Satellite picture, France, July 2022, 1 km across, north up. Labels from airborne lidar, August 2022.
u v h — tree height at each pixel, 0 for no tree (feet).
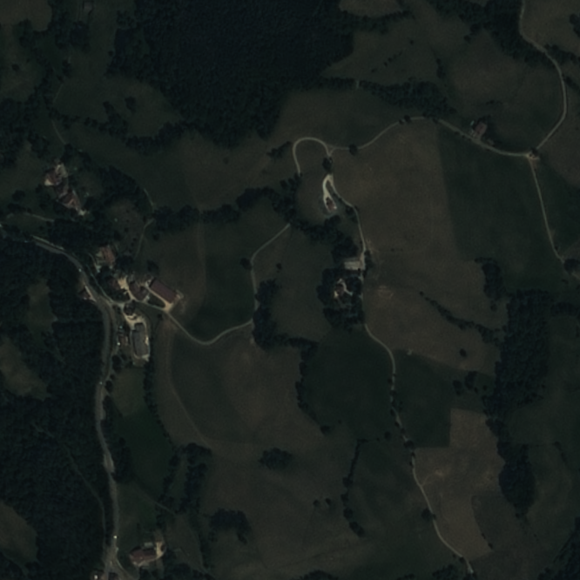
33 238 29
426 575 0
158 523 19
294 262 0
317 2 60
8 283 94
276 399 0
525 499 67
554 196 0
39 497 93
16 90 0
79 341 61
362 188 0
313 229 69
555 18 0
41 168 0
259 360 0
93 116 0
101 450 39
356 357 0
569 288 0
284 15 59
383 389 0
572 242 0
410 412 0
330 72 0
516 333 57
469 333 0
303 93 0
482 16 46
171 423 0
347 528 0
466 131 0
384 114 0
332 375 0
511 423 0
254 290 0
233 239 0
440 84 0
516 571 0
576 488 0
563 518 0
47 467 94
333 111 0
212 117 76
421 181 0
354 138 0
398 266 0
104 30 0
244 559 0
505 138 0
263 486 0
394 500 0
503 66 0
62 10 62
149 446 0
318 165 0
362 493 0
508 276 0
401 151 0
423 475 0
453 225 0
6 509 0
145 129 0
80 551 81
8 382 0
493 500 0
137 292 0
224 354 0
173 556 52
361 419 0
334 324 56
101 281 65
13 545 0
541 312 52
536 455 0
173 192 0
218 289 0
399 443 0
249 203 77
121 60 58
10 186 0
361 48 0
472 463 0
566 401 0
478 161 0
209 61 71
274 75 60
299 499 0
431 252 0
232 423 0
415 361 0
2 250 32
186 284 0
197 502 30
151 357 21
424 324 0
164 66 76
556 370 0
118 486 0
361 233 0
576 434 0
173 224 96
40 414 94
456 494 0
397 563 0
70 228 39
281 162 0
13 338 72
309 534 0
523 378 39
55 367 84
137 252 0
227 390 0
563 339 0
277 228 0
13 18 0
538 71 0
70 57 0
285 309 0
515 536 0
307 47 46
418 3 0
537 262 0
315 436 0
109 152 0
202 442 0
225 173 0
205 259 0
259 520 0
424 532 0
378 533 0
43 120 0
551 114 0
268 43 60
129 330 39
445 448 0
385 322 0
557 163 0
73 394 77
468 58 0
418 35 0
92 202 44
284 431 0
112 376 25
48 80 36
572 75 0
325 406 0
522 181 0
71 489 88
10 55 0
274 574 0
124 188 59
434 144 0
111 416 43
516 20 33
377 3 0
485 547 0
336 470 0
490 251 0
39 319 0
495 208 0
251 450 0
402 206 0
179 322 0
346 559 0
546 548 0
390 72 0
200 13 68
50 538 91
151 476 0
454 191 0
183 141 0
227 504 0
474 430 0
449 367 0
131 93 0
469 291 0
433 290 0
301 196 0
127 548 0
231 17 79
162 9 85
